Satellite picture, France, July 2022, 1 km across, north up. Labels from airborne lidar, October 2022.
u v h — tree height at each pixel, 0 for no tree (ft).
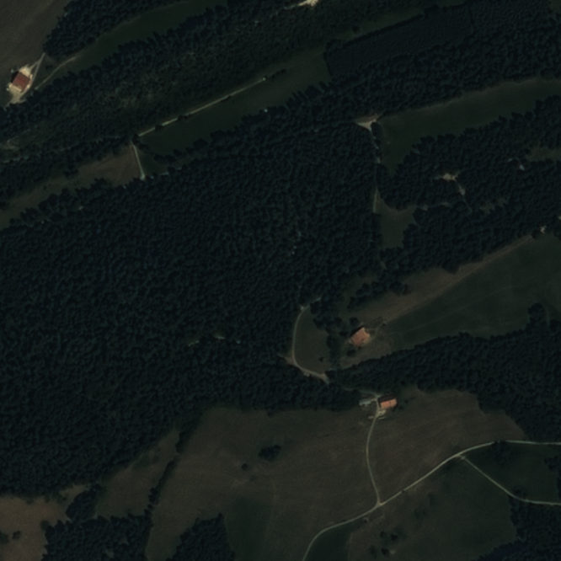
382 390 55
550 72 52
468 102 0
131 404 52
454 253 55
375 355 0
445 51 104
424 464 0
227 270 80
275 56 22
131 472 0
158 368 71
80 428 87
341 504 0
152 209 74
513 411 72
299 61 0
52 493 89
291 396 27
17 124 80
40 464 85
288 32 20
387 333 0
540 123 51
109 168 0
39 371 20
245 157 70
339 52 60
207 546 60
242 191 67
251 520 0
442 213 86
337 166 86
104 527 111
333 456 0
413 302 0
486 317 0
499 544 0
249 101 0
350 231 74
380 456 0
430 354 55
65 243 63
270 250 74
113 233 91
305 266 85
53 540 83
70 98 47
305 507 0
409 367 58
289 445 0
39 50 0
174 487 0
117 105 31
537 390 38
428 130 0
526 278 0
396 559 0
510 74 28
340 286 49
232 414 0
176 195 84
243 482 0
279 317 88
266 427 0
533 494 0
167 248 89
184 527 0
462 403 0
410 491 0
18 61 0
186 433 37
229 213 54
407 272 64
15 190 56
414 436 0
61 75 0
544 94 0
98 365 63
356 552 0
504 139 59
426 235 70
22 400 80
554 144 62
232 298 76
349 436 0
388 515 0
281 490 0
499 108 0
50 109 47
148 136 0
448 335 0
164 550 0
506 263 0
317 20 22
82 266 80
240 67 20
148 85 30
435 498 0
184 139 0
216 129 0
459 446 0
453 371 28
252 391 90
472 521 0
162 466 0
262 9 54
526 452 0
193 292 75
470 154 72
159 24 0
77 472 60
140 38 0
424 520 0
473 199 86
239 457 0
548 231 34
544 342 75
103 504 0
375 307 0
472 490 0
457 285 0
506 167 73
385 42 66
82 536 114
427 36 56
